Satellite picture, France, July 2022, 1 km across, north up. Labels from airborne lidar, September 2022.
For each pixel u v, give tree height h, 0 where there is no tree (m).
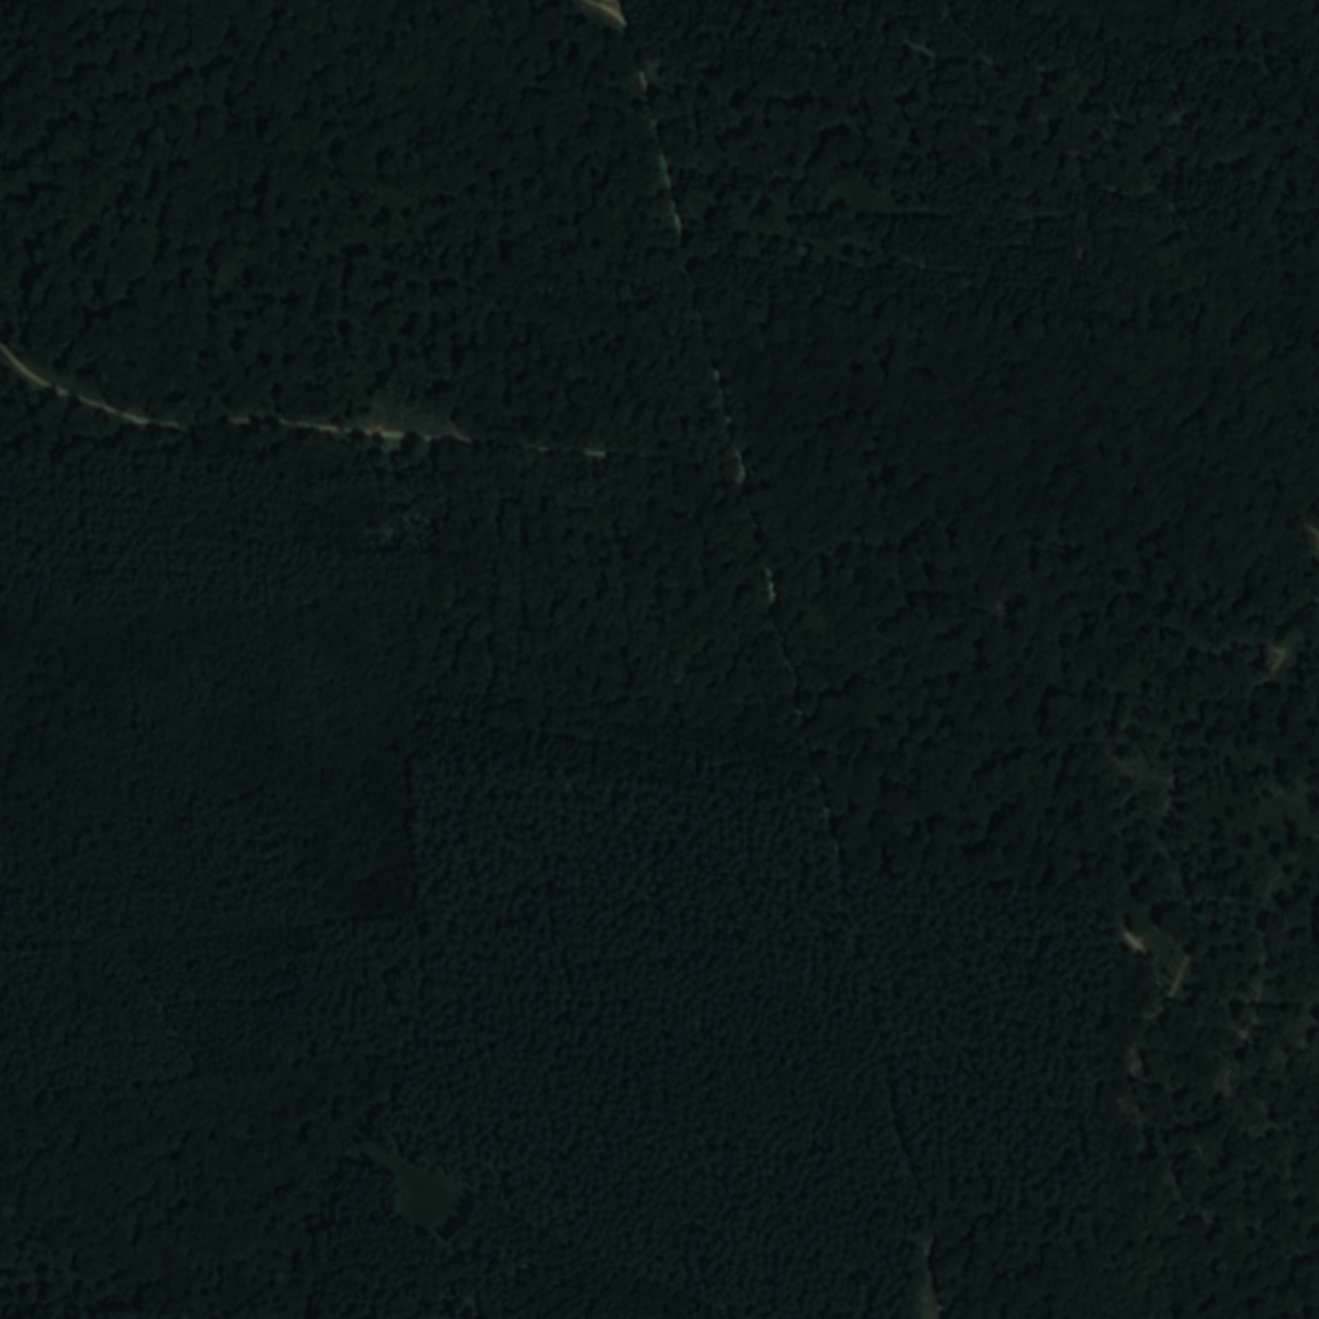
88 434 24
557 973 31
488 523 27
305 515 21
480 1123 30
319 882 24
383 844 19
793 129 28
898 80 24
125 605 28
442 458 25
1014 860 24
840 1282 32
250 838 9
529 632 20
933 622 18
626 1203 32
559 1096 28
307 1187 20
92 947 21
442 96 20
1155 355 24
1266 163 27
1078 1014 29
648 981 33
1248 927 20
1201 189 27
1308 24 27
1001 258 15
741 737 25
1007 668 27
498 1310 19
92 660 23
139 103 27
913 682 26
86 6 22
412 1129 28
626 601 22
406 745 22
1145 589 20
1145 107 29
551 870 32
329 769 19
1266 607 23
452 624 16
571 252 22
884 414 28
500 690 18
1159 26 26
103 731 20
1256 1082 8
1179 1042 28
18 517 28
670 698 19
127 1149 22
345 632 21
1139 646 25
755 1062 34
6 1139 24
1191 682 25
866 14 19
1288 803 0
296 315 26
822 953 30
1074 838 28
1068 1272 22
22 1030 29
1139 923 24
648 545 26
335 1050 30
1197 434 21
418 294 24
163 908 19
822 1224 36
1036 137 28
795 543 21
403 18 25
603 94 26
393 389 24
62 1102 22
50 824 22
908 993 32
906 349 23
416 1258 24
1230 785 0
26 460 32
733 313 23
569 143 23
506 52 26
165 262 24
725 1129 33
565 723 17
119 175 24
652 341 20
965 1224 17
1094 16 20
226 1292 23
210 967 18
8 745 24
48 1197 25
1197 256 24
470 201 24
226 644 20
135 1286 7
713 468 19
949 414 30
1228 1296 24
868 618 29
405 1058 28
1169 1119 28
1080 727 29
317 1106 17
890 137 28
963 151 27
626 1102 37
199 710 23
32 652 18
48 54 22
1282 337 23
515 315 25
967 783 32
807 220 15
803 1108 34
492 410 20
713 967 30
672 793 27
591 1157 29
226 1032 20
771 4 28
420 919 19
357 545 25
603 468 10
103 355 28
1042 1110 30
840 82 25
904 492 31
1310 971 24
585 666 22
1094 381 29
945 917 30
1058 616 32
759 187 21
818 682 21
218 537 28
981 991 28
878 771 28
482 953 25
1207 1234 26
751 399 26
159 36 25
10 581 35
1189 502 23
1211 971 22
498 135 23
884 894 32
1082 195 25
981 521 27
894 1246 30
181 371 27
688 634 16
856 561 28
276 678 16
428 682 16
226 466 34
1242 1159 27
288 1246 21
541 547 26
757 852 33
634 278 22
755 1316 32
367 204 27
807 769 19
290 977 23
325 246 26
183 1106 22
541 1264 19
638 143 19
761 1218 31
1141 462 29
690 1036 33
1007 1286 24
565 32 17
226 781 18
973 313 23
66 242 15
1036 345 22
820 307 26
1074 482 25
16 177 21
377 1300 17
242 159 26
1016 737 21
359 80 22
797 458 22
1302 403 16
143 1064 21
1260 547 24
